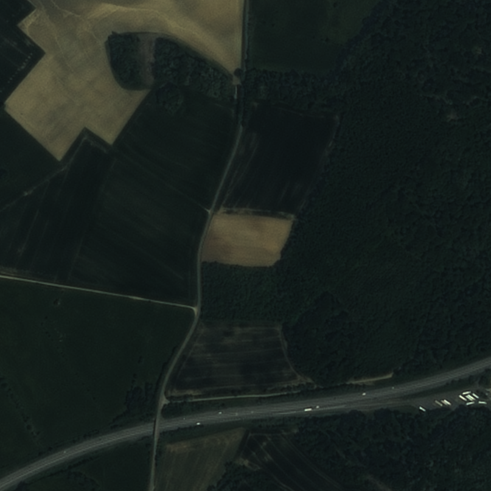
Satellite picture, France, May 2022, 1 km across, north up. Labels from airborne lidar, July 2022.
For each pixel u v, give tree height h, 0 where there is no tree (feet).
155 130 0
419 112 62
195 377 0
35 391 0
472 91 98
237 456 0
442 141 76
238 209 0
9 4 0
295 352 87
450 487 73
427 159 84
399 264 19
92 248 0
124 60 81
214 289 32
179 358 0
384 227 81
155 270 0
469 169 78
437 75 91
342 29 0
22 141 0
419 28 88
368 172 63
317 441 88
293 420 51
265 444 0
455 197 77
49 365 0
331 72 0
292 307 56
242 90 52
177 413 54
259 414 0
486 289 63
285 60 0
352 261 52
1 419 0
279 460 0
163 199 0
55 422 0
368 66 56
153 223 0
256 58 0
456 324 87
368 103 55
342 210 69
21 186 0
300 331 96
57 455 0
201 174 0
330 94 85
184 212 0
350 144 52
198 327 0
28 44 0
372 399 0
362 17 0
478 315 79
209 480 0
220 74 58
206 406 24
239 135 0
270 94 78
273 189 0
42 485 0
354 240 60
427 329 55
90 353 0
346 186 65
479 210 93
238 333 0
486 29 94
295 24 0
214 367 0
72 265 0
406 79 35
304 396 40
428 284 49
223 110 0
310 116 0
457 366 0
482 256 62
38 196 0
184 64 91
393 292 32
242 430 0
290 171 0
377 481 81
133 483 0
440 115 82
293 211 0
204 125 0
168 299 0
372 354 48
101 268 0
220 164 0
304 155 0
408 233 90
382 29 86
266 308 43
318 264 57
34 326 0
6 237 0
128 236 0
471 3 42
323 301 95
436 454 58
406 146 59
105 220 0
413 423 92
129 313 0
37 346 0
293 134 0
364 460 117
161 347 0
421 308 58
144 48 0
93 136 0
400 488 81
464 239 98
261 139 0
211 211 0
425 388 0
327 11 0
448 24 91
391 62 75
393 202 92
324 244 58
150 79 0
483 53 95
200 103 0
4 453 0
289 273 61
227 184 0
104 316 0
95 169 0
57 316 0
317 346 89
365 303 26
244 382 0
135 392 43
